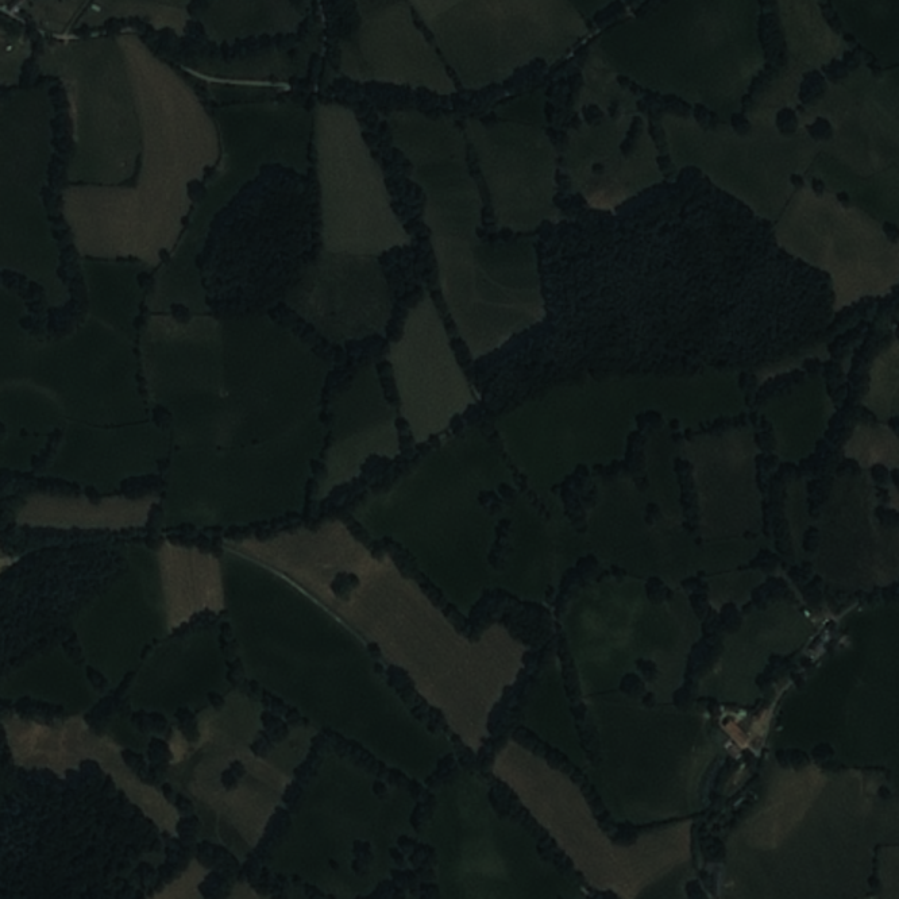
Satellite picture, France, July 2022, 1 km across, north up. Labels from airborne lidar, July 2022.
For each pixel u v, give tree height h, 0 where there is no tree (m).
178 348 0
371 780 0
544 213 0
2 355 0
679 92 0
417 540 0
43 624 23
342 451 0
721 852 18
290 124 0
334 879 0
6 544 20
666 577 0
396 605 0
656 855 0
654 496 0
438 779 17
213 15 0
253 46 20
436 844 0
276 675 0
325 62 10
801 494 0
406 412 0
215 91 0
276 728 25
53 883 27
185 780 0
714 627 22
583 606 0
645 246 31
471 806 0
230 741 0
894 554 0
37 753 0
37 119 0
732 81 0
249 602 0
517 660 0
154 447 0
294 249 29
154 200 0
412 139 0
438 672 0
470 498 0
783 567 15
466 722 0
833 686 0
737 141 0
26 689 0
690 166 0
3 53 0
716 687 0
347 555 0
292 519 15
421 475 0
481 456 0
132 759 21
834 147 0
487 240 12
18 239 0
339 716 0
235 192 0
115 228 0
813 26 0
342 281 0
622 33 0
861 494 0
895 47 0
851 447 0
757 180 0
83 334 0
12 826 21
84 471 0
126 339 0
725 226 25
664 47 0
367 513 0
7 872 19
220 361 0
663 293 22
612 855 0
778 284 23
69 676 0
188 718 22
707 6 0
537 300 0
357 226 0
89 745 0
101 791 24
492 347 0
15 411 0
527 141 0
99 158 0
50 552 21
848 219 0
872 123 0
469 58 0
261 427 0
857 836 0
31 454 0
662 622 0
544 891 0
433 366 0
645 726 0
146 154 0
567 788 0
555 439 0
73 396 0
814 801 0
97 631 0
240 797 0
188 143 0
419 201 19
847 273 0
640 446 19
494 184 0
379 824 0
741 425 16
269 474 0
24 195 0
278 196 26
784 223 0
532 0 0
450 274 0
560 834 0
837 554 0
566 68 11
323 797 0
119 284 0
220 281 22
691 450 0
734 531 0
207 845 15
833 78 15
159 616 0
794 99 0
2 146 0
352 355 18
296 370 0
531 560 0
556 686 0
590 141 0
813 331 27
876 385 0
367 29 0
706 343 23
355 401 0
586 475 25
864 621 0
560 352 26
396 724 0
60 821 24
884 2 0
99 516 0
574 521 21
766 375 0
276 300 12
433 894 23
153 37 19
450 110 17
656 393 0
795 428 0
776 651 0
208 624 19
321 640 0
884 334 28
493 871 0
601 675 0
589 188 0
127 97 0
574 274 23
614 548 0
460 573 0
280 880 17
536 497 20
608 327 25
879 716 0
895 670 0
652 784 0
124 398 0
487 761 20
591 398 0
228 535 10
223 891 25
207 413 0
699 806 0
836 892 0
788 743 0
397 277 23
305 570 0
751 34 0
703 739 0
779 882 0
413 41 0
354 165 0
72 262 20
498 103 7
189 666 0
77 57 0
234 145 0
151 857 0
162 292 0
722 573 0
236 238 22
